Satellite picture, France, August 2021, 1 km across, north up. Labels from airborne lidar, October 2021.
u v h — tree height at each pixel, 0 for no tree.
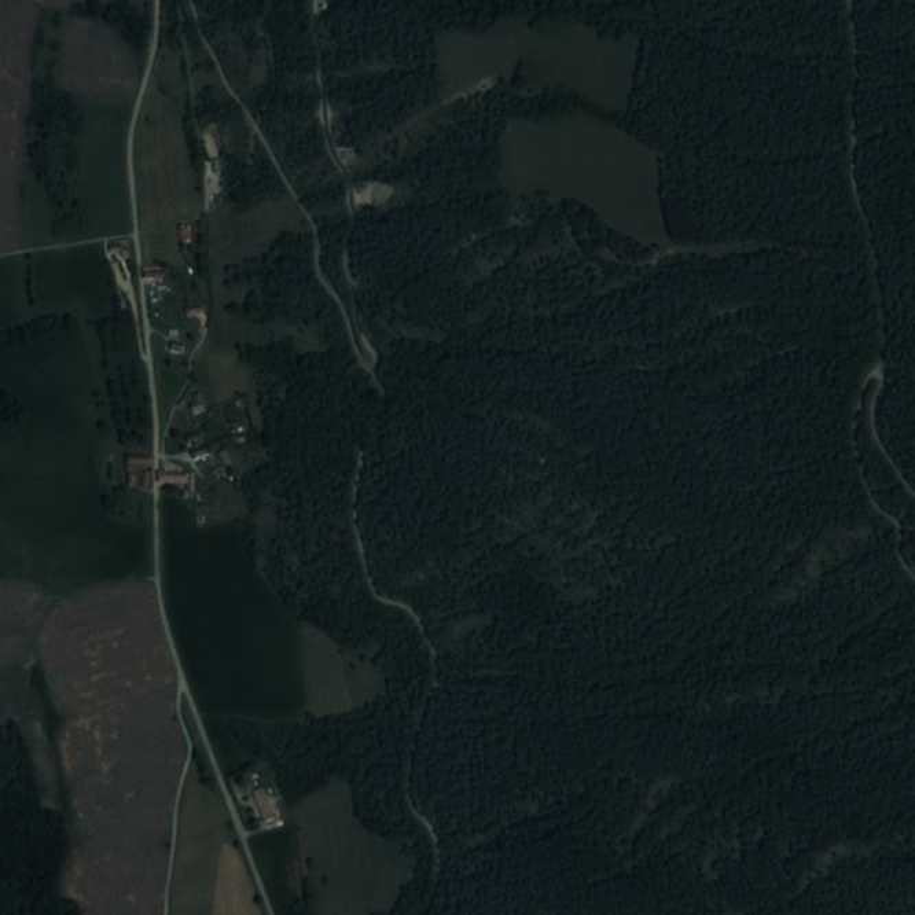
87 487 0
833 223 14
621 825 12
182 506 0
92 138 0
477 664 8
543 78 0
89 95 0
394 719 15
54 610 0
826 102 15
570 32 0
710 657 11
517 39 0
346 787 0
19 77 0
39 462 0
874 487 10
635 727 13
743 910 13
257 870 0
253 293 8
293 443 10
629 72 0
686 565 13
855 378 9
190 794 0
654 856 9
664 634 15
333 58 8
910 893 10
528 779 15
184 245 7
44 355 0
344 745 13
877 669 14
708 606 15
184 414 0
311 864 9
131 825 0
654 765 11
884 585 9
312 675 0
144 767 0
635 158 0
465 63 0
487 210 7
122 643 0
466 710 9
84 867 0
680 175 11
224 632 0
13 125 0
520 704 10
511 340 13
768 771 20
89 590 0
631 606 13
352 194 0
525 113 6
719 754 17
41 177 10
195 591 0
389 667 13
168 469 0
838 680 15
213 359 0
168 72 0
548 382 12
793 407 14
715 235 13
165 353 0
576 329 10
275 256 11
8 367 0
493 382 10
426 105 8
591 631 9
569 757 16
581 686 11
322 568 8
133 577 0
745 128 12
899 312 12
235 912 0
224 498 0
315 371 19
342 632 10
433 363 19
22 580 0
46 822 16
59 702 0
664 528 10
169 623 0
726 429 7
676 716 11
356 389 17
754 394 14
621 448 12
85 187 0
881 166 15
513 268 9
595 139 0
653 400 13
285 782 6
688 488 12
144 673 0
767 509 6
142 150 0
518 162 0
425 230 9
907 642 13
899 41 15
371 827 12
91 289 0
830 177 12
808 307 15
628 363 9
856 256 15
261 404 9
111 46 0
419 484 12
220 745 0
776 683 12
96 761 0
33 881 18
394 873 0
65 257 0
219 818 0
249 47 6
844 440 13
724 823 11
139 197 0
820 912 13
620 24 15
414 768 8
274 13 9
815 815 15
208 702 0
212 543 0
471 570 6
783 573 11
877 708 9
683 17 12
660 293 11
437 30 9
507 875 11
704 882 13
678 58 13
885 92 15
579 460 10
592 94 0
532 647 14
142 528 0
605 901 12
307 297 9
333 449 11
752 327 8
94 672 0
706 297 12
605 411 11
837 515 12
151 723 0
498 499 11
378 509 13
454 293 10
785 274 14
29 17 0
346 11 9
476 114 8
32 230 0
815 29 12
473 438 9
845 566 9
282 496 7
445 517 11
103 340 7
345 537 10
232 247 0
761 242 11
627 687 13
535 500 9
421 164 12
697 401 10
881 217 11
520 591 15
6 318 0
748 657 11
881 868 7
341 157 0
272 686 0
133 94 0
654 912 14
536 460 6
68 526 0
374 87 10
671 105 14
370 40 9
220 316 0
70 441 0
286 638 0
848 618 12
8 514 0
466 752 13
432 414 13
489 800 12
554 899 13
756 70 10
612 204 0
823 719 7
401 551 6
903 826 15
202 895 0
